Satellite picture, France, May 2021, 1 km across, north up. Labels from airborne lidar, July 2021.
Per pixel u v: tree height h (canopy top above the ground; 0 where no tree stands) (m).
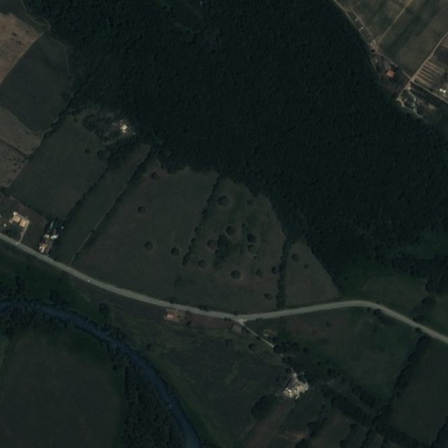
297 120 24
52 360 0
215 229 0
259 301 0
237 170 12
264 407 18
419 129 23
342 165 23
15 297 15
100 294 0
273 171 17
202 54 24
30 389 0
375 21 0
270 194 6
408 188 22
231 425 0
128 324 0
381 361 0
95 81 10
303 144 21
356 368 0
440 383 0
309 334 0
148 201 0
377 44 0
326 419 11
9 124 0
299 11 23
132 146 14
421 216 17
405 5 0
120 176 0
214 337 0
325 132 22
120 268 0
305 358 0
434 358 0
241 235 0
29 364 0
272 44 22
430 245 7
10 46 0
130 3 27
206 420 0
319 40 22
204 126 23
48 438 0
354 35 17
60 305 15
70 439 0
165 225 0
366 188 21
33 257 7
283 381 16
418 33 0
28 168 0
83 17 26
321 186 20
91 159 0
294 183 23
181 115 21
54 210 0
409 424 0
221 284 0
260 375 0
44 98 0
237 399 0
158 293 0
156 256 0
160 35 19
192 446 0
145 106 21
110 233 0
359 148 22
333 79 24
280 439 0
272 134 19
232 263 0
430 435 0
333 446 0
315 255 9
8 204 0
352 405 19
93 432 0
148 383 9
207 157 20
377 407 22
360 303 0
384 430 18
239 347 0
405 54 0
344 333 0
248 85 17
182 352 0
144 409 23
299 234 6
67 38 8
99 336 0
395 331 0
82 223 0
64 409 0
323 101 18
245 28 20
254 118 21
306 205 22
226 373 0
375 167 17
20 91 0
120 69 12
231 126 23
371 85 23
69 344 0
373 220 16
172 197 0
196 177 0
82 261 0
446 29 0
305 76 23
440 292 11
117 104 10
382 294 0
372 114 21
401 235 18
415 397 0
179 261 0
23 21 0
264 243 0
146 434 15
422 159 19
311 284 0
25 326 16
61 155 0
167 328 0
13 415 0
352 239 23
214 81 23
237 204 0
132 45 19
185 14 6
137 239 0
